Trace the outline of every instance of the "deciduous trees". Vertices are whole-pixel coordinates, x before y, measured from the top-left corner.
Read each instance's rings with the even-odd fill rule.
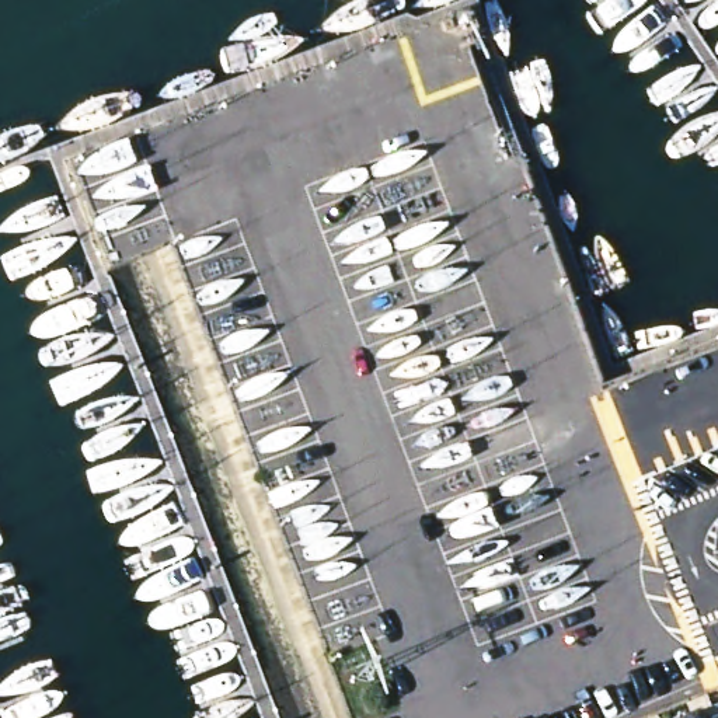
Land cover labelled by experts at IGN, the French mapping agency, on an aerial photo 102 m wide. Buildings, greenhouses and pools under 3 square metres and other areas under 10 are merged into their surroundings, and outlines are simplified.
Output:
[[[351,718],[384,718],[387,690],[379,687],[379,682],[359,682],[342,690]]]

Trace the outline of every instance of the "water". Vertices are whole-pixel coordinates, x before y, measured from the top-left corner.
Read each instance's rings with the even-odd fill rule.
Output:
[[[196,87],[205,87],[210,79],[222,84],[238,79],[241,67],[266,65],[289,48],[300,48],[300,53],[306,53],[317,45],[325,45],[331,42],[331,31],[356,31],[365,28],[370,20],[424,14],[426,6],[449,6],[452,0],[0,0],[0,718],[280,718],[258,651],[244,625],[238,600],[222,567],[216,541],[205,522],[199,496],[185,471],[177,438],[160,404],[151,373],[143,362],[126,309],[121,303],[121,294],[112,286],[98,294],[90,294],[87,283],[93,280],[93,272],[81,250],[87,244],[87,230],[56,233],[48,222],[50,213],[67,216],[70,205],[53,177],[53,168],[42,163],[42,149],[73,140],[70,129],[104,126],[109,115],[118,112],[118,107],[126,107],[126,118],[135,118],[157,107],[163,95],[185,98],[196,93]]]
[[[488,101],[494,107],[502,135],[519,137],[522,143],[533,177],[533,191],[553,230],[558,255],[564,261],[603,379],[617,379],[628,373],[628,365],[639,353],[639,348],[670,348],[679,342],[682,331],[693,334],[696,325],[718,328],[718,0],[477,0],[471,17],[480,25],[488,56],[480,53],[474,45],[471,56],[488,90]]]

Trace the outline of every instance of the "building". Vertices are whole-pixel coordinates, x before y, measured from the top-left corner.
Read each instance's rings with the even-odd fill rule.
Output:
[[[718,707],[698,710],[698,718],[718,718]]]

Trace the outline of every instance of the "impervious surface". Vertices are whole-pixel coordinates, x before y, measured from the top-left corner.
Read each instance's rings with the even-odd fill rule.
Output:
[[[533,177],[522,143],[519,137],[502,135],[494,107],[488,101],[488,90],[471,56],[474,45],[480,53],[488,56],[480,25],[471,17],[477,0],[452,0],[449,6],[426,6],[424,14],[370,20],[365,28],[356,31],[331,31],[331,42],[325,45],[317,45],[306,53],[300,53],[300,48],[289,48],[266,65],[241,67],[238,79],[222,84],[210,79],[205,87],[196,87],[196,93],[185,98],[163,95],[157,107],[135,118],[126,118],[126,107],[118,107],[118,112],[109,115],[104,126],[70,129],[73,140],[42,149],[42,163],[53,168],[53,177],[70,205],[67,216],[50,213],[48,222],[56,233],[87,230],[87,244],[81,250],[93,272],[93,280],[87,283],[90,294],[98,294],[112,286],[121,294],[121,303],[126,309],[143,362],[151,373],[160,404],[177,438],[185,471],[199,496],[205,522],[216,541],[222,567],[238,600],[244,625],[258,651],[280,718],[351,718],[342,690],[359,682],[379,682],[379,687],[387,690],[384,718],[698,718],[698,710],[718,707],[718,328],[696,325],[693,334],[682,331],[679,342],[670,348],[639,348],[639,353],[628,365],[628,373],[617,379],[603,379],[564,261],[558,255],[553,230],[533,191]]]

